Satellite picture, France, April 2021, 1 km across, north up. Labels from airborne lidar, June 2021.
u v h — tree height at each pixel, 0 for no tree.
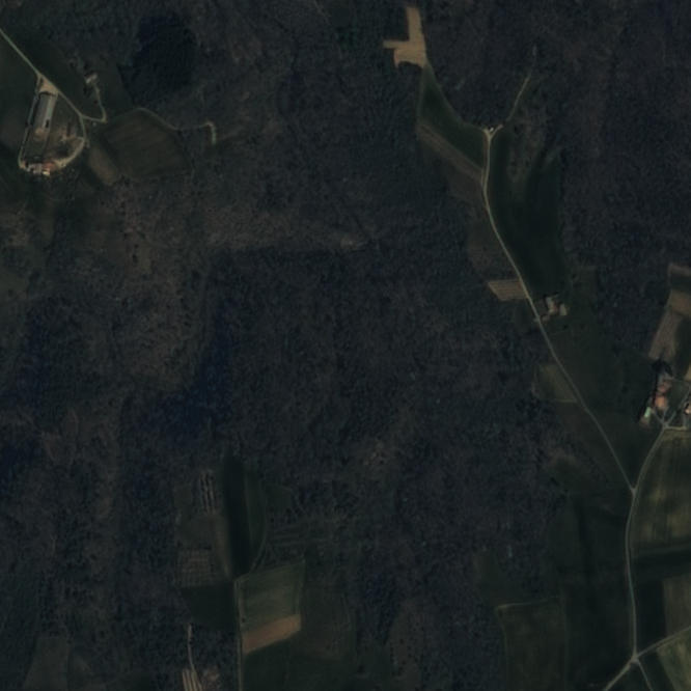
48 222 0
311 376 19
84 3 16
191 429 7
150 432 15
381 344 22
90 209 0
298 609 0
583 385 0
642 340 8
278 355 20
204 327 9
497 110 11
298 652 0
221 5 35
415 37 0
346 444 12
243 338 14
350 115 11
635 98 15
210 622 0
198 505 7
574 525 0
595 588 0
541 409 11
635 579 0
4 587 9
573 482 0
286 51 13
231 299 17
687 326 0
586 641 0
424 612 14
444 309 8
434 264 10
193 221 21
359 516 12
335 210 14
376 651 0
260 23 19
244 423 14
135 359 7
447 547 15
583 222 20
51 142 0
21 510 13
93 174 0
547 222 0
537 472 9
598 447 0
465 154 0
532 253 0
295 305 15
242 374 15
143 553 12
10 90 0
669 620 0
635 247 16
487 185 0
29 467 13
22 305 16
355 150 6
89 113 0
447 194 9
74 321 12
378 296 10
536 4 16
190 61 22
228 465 0
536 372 0
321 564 7
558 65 15
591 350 0
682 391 0
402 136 7
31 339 7
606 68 21
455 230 11
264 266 9
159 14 22
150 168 0
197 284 20
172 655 9
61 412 16
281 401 21
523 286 0
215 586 0
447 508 13
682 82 13
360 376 21
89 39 14
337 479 11
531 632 0
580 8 13
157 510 13
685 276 0
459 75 17
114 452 19
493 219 0
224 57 14
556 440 9
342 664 0
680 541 0
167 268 10
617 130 20
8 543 14
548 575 0
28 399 7
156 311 8
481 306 11
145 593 11
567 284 6
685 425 0
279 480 6
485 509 20
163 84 15
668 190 13
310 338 19
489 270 7
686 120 14
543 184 0
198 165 9
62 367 11
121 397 9
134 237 8
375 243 12
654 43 17
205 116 12
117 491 19
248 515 0
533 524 16
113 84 0
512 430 8
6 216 0
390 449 9
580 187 20
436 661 16
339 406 20
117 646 7
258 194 15
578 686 0
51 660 0
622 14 17
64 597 6
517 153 14
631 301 14
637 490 0
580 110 19
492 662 10
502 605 0
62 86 0
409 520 21
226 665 12
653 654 0
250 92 10
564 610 0
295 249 18
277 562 0
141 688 0
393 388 18
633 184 16
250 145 9
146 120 0
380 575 13
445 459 15
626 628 0
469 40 21
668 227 14
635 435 0
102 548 10
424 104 0
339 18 10
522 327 0
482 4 22
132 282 8
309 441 23
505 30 23
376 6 14
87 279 9
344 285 16
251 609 0
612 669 0
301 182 14
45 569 12
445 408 9
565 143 16
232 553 0
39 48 0
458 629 20
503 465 16
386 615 8
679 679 0
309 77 14
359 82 14
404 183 9
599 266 17
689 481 0
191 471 15
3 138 0
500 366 12
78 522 9
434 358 14
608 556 0
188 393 17
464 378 13
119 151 0
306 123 21
